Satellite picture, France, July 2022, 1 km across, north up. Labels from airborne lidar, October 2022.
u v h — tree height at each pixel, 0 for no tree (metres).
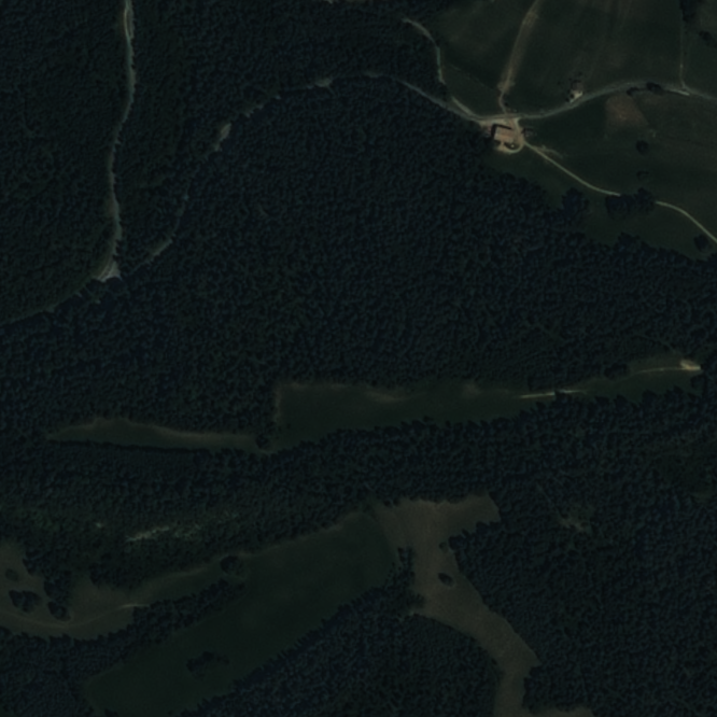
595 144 0
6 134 21
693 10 20
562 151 0
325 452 19
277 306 7
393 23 23
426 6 24
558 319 26
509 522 25
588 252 32
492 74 0
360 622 30
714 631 28
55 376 29
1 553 0
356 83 26
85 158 19
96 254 7
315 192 26
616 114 0
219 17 19
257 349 23
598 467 27
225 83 29
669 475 6
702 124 0
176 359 22
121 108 12
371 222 26
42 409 24
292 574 0
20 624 0
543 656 27
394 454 27
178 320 19
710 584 15
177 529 7
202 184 24
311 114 25
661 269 30
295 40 21
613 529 23
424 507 0
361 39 24
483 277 19
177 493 25
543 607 27
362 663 19
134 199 18
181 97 9
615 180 0
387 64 24
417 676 15
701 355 6
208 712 12
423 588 0
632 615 30
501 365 12
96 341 31
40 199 8
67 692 24
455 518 0
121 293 35
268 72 31
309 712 32
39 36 25
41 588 0
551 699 7
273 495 15
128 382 30
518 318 28
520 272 29
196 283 19
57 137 13
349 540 0
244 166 33
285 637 0
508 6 0
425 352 24
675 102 0
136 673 0
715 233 0
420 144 32
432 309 28
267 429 12
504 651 0
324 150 27
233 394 29
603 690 6
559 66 0
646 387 0
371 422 0
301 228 17
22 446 19
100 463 14
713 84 0
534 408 0
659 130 0
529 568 25
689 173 0
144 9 13
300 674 21
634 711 17
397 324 30
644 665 33
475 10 0
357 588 0
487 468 12
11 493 25
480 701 16
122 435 0
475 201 35
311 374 23
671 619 32
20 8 27
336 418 0
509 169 0
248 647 0
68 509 15
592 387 0
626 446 17
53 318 18
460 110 0
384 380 26
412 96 30
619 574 13
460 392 0
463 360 18
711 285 29
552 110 0
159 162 11
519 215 34
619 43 0
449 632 16
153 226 24
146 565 14
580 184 0
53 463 24
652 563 32
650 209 22
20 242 19
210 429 15
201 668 19
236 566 26
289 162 28
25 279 18
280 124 27
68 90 13
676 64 0
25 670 27
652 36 0
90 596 0
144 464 16
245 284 27
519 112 0
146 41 12
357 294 28
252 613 0
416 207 22
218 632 0
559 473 24
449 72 0
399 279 27
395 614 17
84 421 18
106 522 10
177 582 0
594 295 31
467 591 0
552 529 18
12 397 28
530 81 0
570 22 0
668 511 37
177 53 8
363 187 26
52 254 14
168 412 26
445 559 0
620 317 30
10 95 9
